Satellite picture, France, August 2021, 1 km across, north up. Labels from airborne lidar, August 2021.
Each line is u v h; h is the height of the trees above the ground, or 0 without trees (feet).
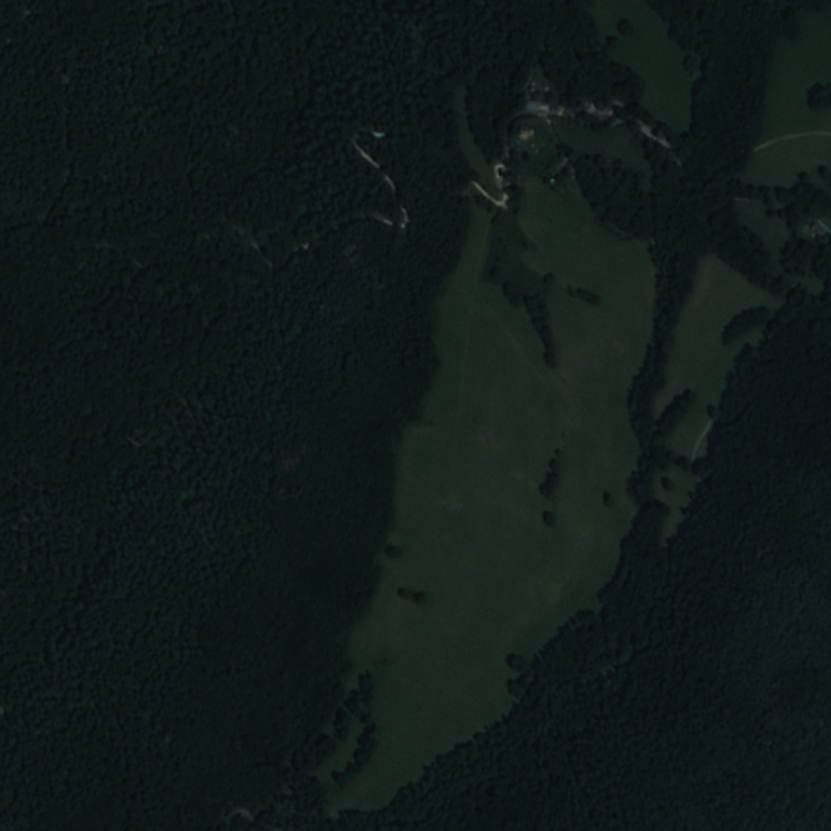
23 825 89
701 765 51
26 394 68
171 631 36
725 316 0
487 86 74
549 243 0
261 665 87
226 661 73
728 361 0
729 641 69
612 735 84
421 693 0
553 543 0
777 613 57
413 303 47
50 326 91
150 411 65
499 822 87
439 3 80
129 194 98
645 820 58
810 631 46
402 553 59
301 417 73
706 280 0
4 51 48
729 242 71
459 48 40
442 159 78
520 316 0
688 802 44
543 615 0
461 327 0
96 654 77
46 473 94
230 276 57
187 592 61
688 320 0
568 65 82
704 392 0
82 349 94
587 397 0
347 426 68
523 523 0
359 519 62
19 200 36
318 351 85
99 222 102
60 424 66
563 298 0
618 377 0
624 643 70
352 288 87
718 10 72
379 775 0
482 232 0
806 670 54
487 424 0
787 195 62
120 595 71
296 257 37
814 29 0
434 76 40
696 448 0
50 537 83
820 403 84
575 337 0
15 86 77
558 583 0
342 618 91
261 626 57
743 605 48
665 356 74
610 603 80
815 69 0
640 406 76
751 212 0
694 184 94
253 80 65
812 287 0
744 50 99
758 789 50
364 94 75
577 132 0
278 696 62
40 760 93
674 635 70
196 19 76
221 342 59
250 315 94
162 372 93
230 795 85
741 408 67
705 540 88
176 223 71
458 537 0
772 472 70
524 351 0
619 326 0
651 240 61
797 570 58
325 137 62
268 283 71
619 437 0
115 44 78
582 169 74
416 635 0
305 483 54
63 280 73
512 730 66
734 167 67
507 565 0
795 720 55
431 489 0
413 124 61
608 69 84
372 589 75
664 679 62
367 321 57
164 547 62
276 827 105
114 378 98
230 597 66
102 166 71
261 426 57
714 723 42
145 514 90
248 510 82
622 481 0
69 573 86
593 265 0
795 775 54
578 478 0
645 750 65
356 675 0
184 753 56
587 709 73
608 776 61
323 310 79
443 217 57
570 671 75
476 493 0
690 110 0
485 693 0
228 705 64
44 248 107
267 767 81
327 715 51
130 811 84
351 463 74
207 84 103
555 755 91
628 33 50
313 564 66
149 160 60
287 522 73
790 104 0
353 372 78
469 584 0
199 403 77
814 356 81
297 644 61
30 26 60
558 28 86
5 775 79
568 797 93
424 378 70
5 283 86
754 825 51
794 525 69
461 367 0
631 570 52
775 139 0
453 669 0
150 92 33
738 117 96
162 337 34
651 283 0
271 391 52
